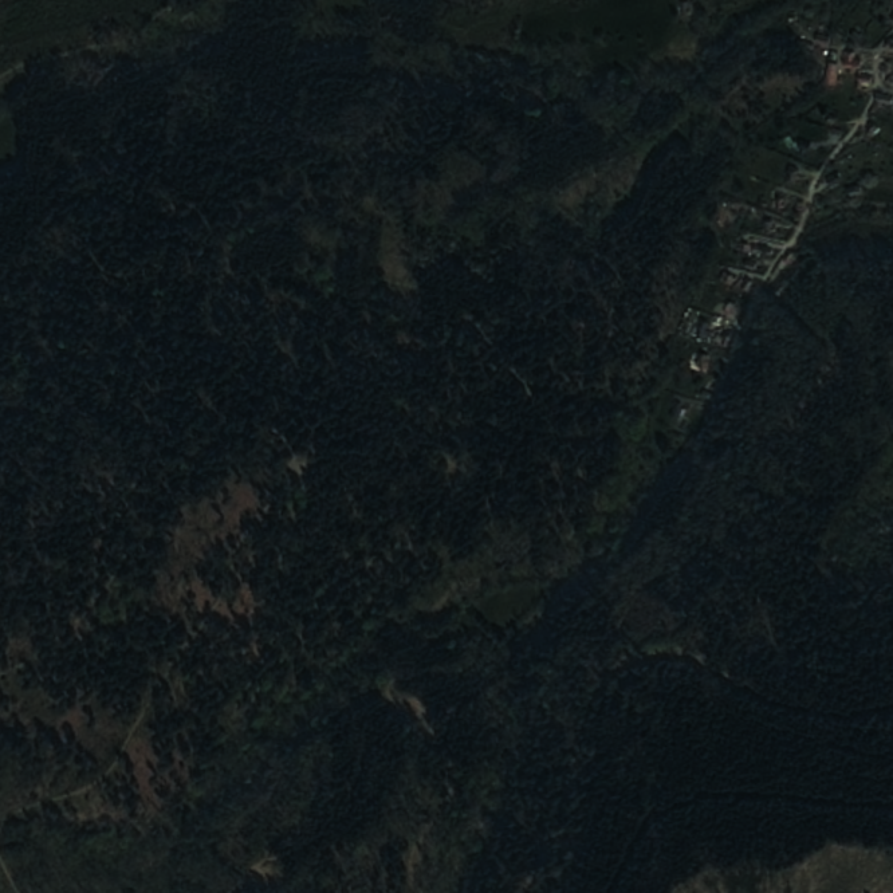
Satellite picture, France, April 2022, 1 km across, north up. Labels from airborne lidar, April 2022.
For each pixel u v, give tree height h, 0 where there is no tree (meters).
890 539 13
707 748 17
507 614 0
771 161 0
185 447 30
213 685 37
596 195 9
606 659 28
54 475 24
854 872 0
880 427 33
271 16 36
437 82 15
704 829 20
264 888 28
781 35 8
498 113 22
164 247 32
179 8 25
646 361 28
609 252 28
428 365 33
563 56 13
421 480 22
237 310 32
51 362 7
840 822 20
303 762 22
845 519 11
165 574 23
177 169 25
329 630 37
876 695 23
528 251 18
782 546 35
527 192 20
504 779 29
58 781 30
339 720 21
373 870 17
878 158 0
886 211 8
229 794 23
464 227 23
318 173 13
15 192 31
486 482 24
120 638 34
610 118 25
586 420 26
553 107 15
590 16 0
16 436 28
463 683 22
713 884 0
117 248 18
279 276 17
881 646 31
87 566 21
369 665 24
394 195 31
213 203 16
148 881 10
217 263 31
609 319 29
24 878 21
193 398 30
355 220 27
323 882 33
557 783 29
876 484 13
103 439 25
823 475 28
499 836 40
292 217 24
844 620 38
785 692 28
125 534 18
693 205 28
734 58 25
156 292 27
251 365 36
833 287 11
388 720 22
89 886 22
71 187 25
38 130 26
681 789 17
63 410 23
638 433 31
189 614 10
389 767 17
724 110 22
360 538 16
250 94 28
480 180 17
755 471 23
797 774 20
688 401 0
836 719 25
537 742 33
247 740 26
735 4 5
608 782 19
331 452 28
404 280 0
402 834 32
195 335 30
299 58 36
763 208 11
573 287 15
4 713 8
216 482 31
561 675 27
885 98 0
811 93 27
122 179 27
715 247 30
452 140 22
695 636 19
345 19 28
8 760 18
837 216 10
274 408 22
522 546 27
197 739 19
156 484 29
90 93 27
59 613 8
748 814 17
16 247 28
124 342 36
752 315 21
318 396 27
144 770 0
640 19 0
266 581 31
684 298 29
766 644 27
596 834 23
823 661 37
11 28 6
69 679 37
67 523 17
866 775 19
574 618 31
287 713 20
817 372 17
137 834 30
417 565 29
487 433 19
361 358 11
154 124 19
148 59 27
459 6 26
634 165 23
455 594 24
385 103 30
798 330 24
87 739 0
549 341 30
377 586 29
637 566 31
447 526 23
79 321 17
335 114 34
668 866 16
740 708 20
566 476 11
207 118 23
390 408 34
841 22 7
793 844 22
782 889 0
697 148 23
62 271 25
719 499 25
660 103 27
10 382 24
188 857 22
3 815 27
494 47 0
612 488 22
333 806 21
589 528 21
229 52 32
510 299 27
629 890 21
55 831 31
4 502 23
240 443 31
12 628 33
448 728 29
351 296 21
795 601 38
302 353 30
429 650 17
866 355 27
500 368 31
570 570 22
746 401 23
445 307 31
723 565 19
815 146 0
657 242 22
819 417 28
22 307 16
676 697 21
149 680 21
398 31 29
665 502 25
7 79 0
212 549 19
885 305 25
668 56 0
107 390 27
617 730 18
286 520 16
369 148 27
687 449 0
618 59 0
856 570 13
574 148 31
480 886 33
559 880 15
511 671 23
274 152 34
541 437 23
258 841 9
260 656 6
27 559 22
